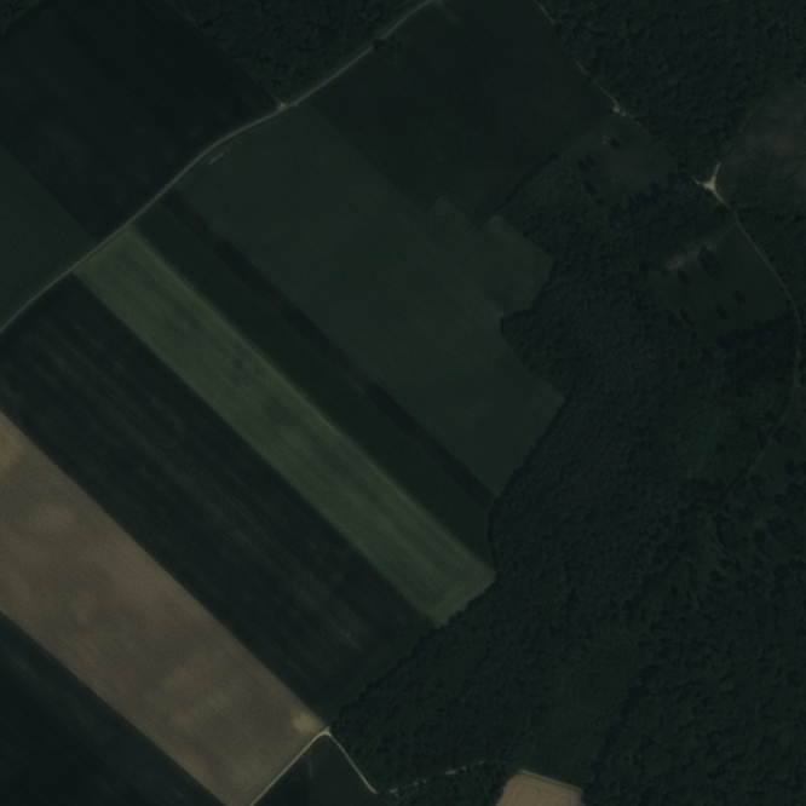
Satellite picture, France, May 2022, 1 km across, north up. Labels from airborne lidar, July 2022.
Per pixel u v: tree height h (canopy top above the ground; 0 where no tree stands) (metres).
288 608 0
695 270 0
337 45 26
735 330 0
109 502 0
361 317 0
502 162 0
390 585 0
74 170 0
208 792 0
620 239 22
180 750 0
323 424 0
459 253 0
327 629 0
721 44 30
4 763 0
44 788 0
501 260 0
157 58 0
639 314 25
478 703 19
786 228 11
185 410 0
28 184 0
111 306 0
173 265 0
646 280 29
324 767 0
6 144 0
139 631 0
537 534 20
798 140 0
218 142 0
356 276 0
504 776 13
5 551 0
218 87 0
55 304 0
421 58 0
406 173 0
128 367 0
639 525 26
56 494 0
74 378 0
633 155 0
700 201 27
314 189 0
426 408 0
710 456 15
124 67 0
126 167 0
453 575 0
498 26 0
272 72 20
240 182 0
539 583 20
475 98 0
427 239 0
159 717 0
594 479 15
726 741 28
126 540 0
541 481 20
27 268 0
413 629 0
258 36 29
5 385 0
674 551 22
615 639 22
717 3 26
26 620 0
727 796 31
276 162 0
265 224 0
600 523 22
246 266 0
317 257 0
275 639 0
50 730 0
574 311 24
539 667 27
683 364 26
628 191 0
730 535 31
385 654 0
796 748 28
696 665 23
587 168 22
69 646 0
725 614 25
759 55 24
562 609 15
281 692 0
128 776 0
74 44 0
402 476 0
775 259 14
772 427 18
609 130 0
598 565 25
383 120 0
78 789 0
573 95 0
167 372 0
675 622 22
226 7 29
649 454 22
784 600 31
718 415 23
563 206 21
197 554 0
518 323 18
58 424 0
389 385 0
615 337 21
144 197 0
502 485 0
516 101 0
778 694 34
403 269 0
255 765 0
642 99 20
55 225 0
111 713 0
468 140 0
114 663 0
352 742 16
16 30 0
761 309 0
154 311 0
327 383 0
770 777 27
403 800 10
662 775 24
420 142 0
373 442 0
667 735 32
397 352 0
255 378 0
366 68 0
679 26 22
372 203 0
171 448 0
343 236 0
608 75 21
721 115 19
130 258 0
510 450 0
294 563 0
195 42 0
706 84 28
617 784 23
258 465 0
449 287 0
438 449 0
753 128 0
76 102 0
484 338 0
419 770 21
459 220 0
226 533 0
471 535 0
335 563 0
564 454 20
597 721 8
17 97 0
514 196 13
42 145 0
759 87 24
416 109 0
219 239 0
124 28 0
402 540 0
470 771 15
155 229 0
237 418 0
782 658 31
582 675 11
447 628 6
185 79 0
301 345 0
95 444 0
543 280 0
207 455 0
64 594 0
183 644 0
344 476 0
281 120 0
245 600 0
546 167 18
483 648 10
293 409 0
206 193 0
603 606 24
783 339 22
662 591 23
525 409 0
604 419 17
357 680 0
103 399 0
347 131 0
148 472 0
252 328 0
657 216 19
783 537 30
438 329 0
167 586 0
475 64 0
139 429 0
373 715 16
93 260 0
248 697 0
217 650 0
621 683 9
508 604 18
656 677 23
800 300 12
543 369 12
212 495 0
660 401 18
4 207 0
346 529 0
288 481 0
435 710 10
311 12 26
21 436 0
